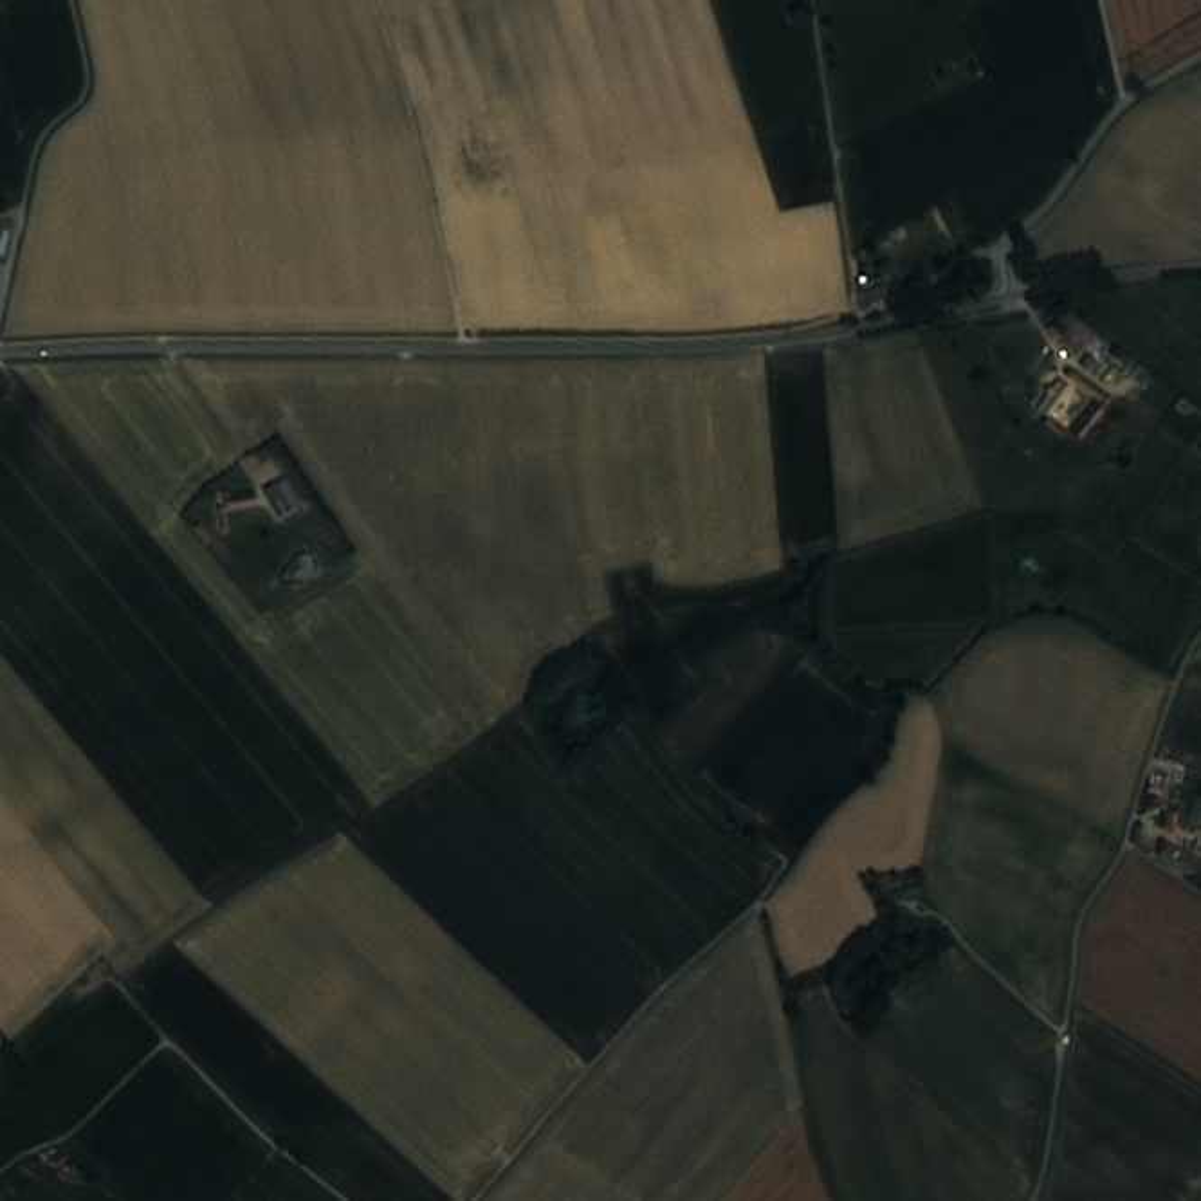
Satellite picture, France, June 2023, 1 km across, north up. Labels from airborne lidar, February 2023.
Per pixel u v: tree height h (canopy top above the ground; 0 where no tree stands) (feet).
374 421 0
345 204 0
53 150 0
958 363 0
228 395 0
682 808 0
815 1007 0
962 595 0
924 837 0
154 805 0
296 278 0
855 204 0
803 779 0
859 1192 0
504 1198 0
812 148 0
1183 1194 0
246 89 0
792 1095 0
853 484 0
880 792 0
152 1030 0
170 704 0
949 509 0
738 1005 0
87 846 0
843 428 0
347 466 0
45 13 0
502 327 0
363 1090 0
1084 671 0
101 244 0
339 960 0
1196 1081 0
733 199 0
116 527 0
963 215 0
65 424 0
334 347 0
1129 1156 0
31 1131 0
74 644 0
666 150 0
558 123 0
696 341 0
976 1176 0
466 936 0
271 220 0
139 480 0
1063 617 30
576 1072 0
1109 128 0
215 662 0
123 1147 0
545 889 0
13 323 0
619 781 0
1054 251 0
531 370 0
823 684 0
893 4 0
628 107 0
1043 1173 0
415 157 0
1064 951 0
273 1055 0
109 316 0
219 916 0
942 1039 0
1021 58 0
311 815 0
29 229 0
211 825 0
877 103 0
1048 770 0
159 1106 0
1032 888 0
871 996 52
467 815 0
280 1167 0
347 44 0
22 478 0
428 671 0
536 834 0
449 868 0
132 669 0
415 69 0
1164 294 0
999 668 0
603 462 0
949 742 0
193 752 0
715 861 0
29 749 0
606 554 0
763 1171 0
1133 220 0
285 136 0
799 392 0
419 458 0
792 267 0
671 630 0
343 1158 0
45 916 0
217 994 0
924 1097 0
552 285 0
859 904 0
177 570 0
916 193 0
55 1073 0
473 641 0
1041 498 0
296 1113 0
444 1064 0
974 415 0
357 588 0
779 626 0
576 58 0
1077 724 0
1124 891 0
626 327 0
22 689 0
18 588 0
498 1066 0
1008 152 0
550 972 0
